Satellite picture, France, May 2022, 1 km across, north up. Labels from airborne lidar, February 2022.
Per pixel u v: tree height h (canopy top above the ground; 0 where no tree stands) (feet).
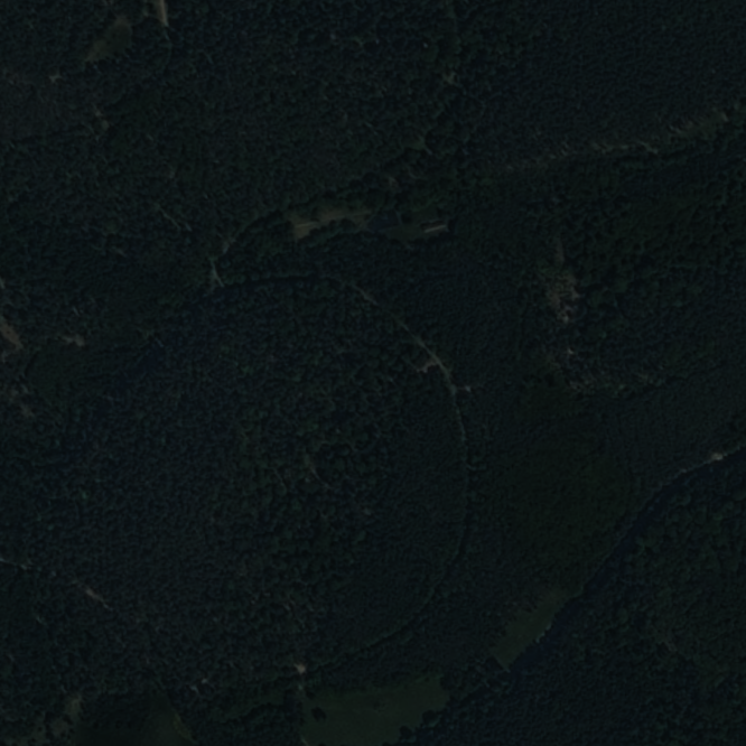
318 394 97
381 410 97
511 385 57
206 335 116
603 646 64
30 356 18
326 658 71
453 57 87
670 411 65
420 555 71
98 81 75
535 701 59
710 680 92
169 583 94
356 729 0
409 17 93
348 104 86
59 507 101
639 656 65
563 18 108
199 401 96
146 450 103
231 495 80
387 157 66
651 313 88
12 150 76
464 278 63
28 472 133
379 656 81
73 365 54
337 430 102
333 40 115
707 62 107
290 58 90
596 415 41
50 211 83
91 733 0
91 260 63
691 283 95
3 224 62
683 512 107
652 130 103
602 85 114
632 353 98
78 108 86
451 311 73
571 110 112
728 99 98
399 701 0
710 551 103
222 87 70
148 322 92
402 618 70
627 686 70
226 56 52
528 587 78
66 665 43
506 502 84
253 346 98
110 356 58
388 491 84
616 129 98
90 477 113
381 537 86
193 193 99
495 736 98
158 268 52
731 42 105
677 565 106
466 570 75
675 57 106
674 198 72
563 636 78
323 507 109
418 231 0
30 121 81
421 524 77
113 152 97
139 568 87
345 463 120
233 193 89
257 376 92
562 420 63
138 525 99
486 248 48
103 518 88
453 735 95
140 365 104
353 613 72
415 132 90
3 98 73
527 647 0
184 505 93
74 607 104
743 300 100
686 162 53
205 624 107
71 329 85
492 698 90
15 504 52
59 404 28
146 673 44
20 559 53
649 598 105
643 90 98
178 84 79
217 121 73
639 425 70
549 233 21
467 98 96
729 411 61
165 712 0
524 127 105
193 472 103
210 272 69
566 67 117
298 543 105
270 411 92
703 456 64
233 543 82
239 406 101
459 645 73
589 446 52
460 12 103
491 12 85
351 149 79
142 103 79
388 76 106
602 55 102
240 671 88
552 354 103
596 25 107
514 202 45
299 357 80
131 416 102
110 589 105
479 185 46
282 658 94
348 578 82
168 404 108
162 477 89
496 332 70
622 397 100
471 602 94
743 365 52
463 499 68
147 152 97
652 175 48
